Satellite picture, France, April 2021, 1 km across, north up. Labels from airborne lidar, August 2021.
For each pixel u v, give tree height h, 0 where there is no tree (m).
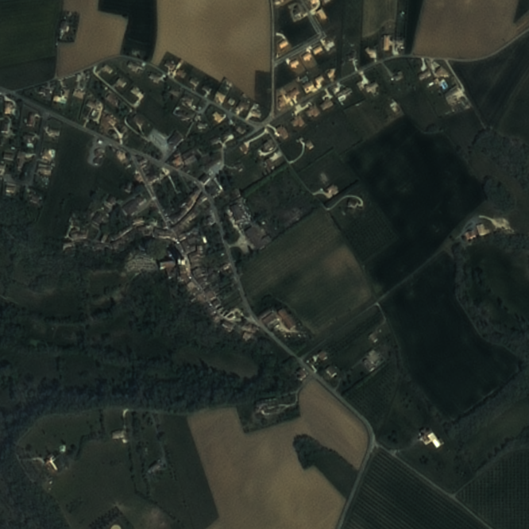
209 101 0
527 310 0
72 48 0
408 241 0
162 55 0
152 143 7
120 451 0
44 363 0
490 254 0
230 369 0
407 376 14
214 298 0
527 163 12
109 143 0
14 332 19
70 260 18
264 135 0
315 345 0
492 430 0
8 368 20
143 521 0
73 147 0
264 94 0
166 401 24
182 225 0
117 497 0
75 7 0
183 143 7
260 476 0
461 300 15
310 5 0
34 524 14
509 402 20
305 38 0
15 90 0
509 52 0
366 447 0
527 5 0
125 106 7
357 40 0
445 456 0
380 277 0
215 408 13
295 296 0
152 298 14
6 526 16
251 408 0
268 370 18
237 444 0
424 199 0
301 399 0
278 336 9
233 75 0
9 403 0
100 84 8
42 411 10
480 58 0
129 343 0
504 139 10
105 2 0
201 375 22
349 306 0
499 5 0
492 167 0
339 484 0
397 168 0
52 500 15
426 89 0
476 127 0
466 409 0
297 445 12
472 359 0
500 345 10
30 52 0
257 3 0
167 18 0
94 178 0
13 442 11
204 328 14
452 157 0
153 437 0
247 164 0
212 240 10
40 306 0
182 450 0
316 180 0
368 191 0
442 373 0
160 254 36
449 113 0
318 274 0
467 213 0
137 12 0
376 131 0
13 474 10
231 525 0
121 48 0
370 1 0
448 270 0
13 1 0
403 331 0
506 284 0
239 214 0
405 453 0
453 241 8
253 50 0
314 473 0
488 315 24
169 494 0
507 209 15
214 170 0
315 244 0
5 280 6
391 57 0
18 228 6
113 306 10
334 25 0
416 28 0
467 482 0
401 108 0
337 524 0
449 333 0
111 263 9
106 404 16
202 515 0
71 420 0
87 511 0
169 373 7
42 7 0
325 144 0
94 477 0
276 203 0
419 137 0
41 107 0
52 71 0
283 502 0
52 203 0
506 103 0
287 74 0
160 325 15
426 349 0
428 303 0
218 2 0
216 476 0
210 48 0
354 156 0
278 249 0
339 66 0
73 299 0
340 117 0
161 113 0
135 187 9
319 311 0
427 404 6
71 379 0
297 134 0
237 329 7
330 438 0
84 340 14
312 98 0
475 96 0
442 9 0
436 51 0
